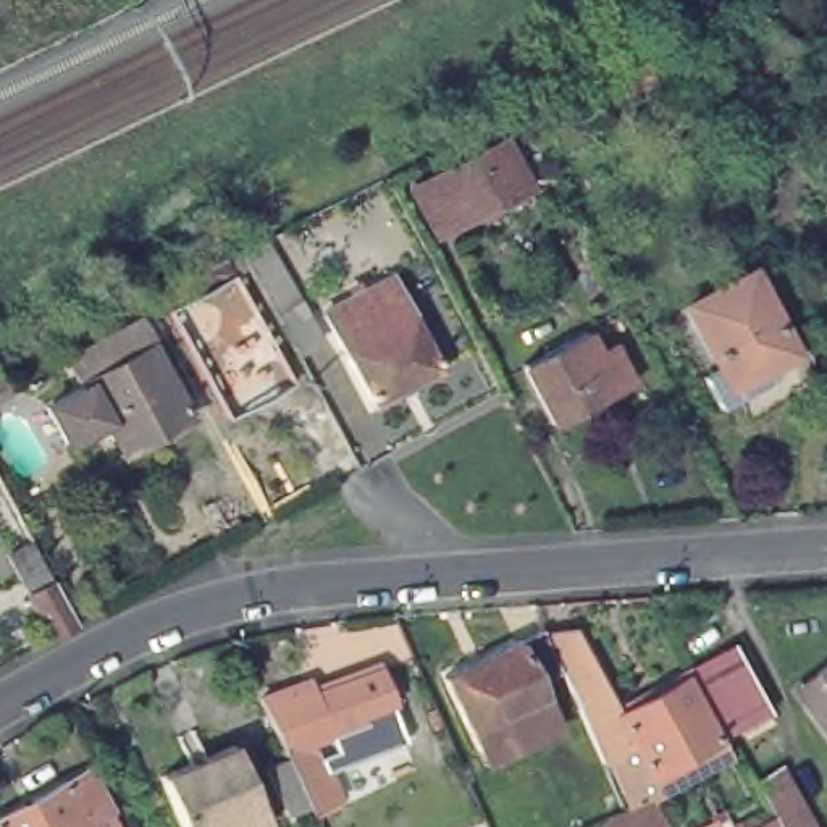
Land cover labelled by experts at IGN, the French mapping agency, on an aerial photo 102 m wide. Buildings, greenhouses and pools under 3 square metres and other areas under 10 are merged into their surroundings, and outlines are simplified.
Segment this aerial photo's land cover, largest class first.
<instances>
[{"label":"deciduous trees","instance_id":"1","mask_svg":"<svg viewBox=\"0 0 827 827\"><path fill-rule=\"evenodd\" d=\"M475 81H468L459 90H443L439 74H430L410 90V100L404 103L407 120L401 123V149L407 162L388 168L394 181L391 191L407 194L414 181H430L436 171H452L468 162H478L485 149H494L504 136H514L520 139L517 152L523 165L533 174L539 171L546 181V191L536 200L539 223L546 229L572 233L575 265L591 271L601 284V294H594L598 317L614 320L617 330H627L633 336L646 362V401L623 397L614 404V410H598L585 423L588 462L607 468H630V462L649 455L659 468L656 485H678L685 481V468L698 465L695 449L704 443L714 439V426L707 420L720 410L707 391V378L717 375V365L698 355L688 336L685 310L714 291L737 284L749 271H762L772 281L791 330L811 355V368L804 375V381L782 401L791 410L788 436H753L740 462L733 465L737 478L727 481V491L740 510L737 520L759 523L762 517L775 514L782 501L795 478L791 446L808 436L827 439V0H530L527 23L504 36L485 61L472 65ZM788 184L801 187L798 210L808 220L804 229H791L788 223L769 216V210L779 207V187ZM368 129L359 126L336 142L339 162L352 165L365 155ZM320 223L310 207L300 210L291 200L284 204L278 220L265 223L239 210L226 213L223 194L191 200L187 191H178L165 204L149 207L145 239L126 258L90 255L87 265H81L78 271L61 268L52 275L45 268H36L26 278L29 294L23 300H10L6 307H0V384L10 381L16 391H26L39 365H45L48 372H61L78 365V355L94 346V339H107L120 326L136 323L139 313L155 317L168 320L171 310L191 307L210 294L207 268L213 262H223L229 255L236 262H246L262 258L268 252L271 236H300L307 229H317ZM507 226L501 223L475 226L455 236V242L436 239L446 268L459 265L465 278L478 271L485 278L481 291L501 304V310L527 317L539 304L562 300L565 291L575 284L569 275L556 268L552 252H514L501 265H494L491 252H485V236L501 239ZM346 275L320 262L313 265V275L307 281V294L320 300L333 297L336 291H342ZM142 468V485L136 491H113L107 481L78 485L65 472L42 494H32L29 475L19 472L6 481L16 507L32 527V536L52 578L74 598L78 611L94 620L123 617L142 601L162 594L165 588H174L184 578L204 572L213 559H233L252 536L262 533V514H246L236 520V527L223 530L194 539L178 552L155 543V536L142 523L139 501L155 510L162 530L178 533L184 497V488L191 481V462L184 446H162L149 459L136 462ZM730 598L711 591H675L669 598L620 604L617 611L623 614L633 649L643 656V669H653V662L678 669L691 662L695 653L691 640L707 630V617L727 611ZM23 643L32 649L48 646L55 627L42 614L26 611ZM210 688L223 704H236L242 698L258 695L262 691L258 685L252 665L236 653L226 646L210 649ZM120 707L113 691L84 701V707L71 714H52L48 720H39L26 737L39 749H61L78 733L84 743L81 762L87 766V772L107 782V791L120 811V827H178L171 804L162 791V782L152 775V766L145 762L142 749L132 743V727L120 724ZM707 811L730 814L737 827H766L772 821V791L766 779H759L746 762L737 759L724 772L695 769L691 775L672 782L669 798L662 801L665 827H698Z\"/></svg>","mask_w":827,"mask_h":827},{"label":"herbaceous vegetation","instance_id":"2","mask_svg":"<svg viewBox=\"0 0 827 827\"><path fill-rule=\"evenodd\" d=\"M142 0H0V74L19 61L52 52L68 39H78L81 32L97 29L107 16H120L139 6ZM530 0H394L381 10H372L365 19H352L342 29L313 36L288 52H278L252 65L239 84L213 81L200 87L194 103L187 107L168 103L149 113V123L116 139L87 142L90 149L81 158L61 155L52 174L32 178L19 187L0 184V307H6L10 300H23L29 294L26 278L36 268H45L52 275L61 268L78 271L81 265H87L90 255L126 258L145 239L149 207L165 204L178 191H187L191 200L223 194L226 213L239 210L265 223L278 220L284 204L291 200L300 210L310 207L320 223L333 213H349L375 197H384L391 191L394 181L388 168L407 162L401 149V123L407 120L404 103L410 100V90L430 74H439L443 90H459L468 81H475L472 65L485 61L504 36L527 23ZM359 126L368 129L365 155L352 165L339 162L336 142ZM801 187L788 184L779 187V207L769 210V216L788 223L791 229H804L808 220L798 210ZM507 226L501 239L485 236V252H491L494 265H501L514 252H552L556 268L569 275L575 284L565 291L562 300L539 304L527 317L501 310V304L481 291L475 294V300L485 313V323L501 336L510 365L520 375L530 365L562 355L588 336H598L607 349H623L636 372H646V362L633 336L627 330H617L614 320L598 317L594 294H601V284L591 271L575 265L572 233L546 229L539 223L536 200L523 204L501 223ZM229 281H242L265 326L271 330L281 355L288 359L291 372L297 375L300 355L291 342L288 326L275 317L268 297L262 294L246 262H236L229 255L223 262H213L207 268L210 294L226 288ZM155 339L162 342L174 375L181 378L191 407H200V426H191L184 433V446L191 462V481L184 488V497L197 507H216L223 530L236 527V520L246 514H255L239 478L216 452L229 439L236 443L252 478L268 497L271 514H262V533L252 536L233 559H271L291 552L372 546L375 530L352 514L349 501L342 497V485L333 472L323 475L313 459H304L297 452V443L271 436V417H255L246 407L233 417L226 401H207V388L187 362L168 320L155 317ZM78 365L61 372H48L45 365H39L26 391L29 397H39L55 410L61 401L74 394L71 378ZM397 472L404 475L410 491L423 497L462 536L488 539L572 530L575 504H569L562 485L572 478H578V485L585 488L594 517H601L607 507L617 504H665L685 497H707L711 491L698 465L685 468V481L678 485H656L659 468L649 455L630 462V468H607L588 462L585 423L572 430H552L546 417L533 407L527 388L520 394H510V410H497L449 436L433 439L426 449L407 455L397 465ZM791 410L782 401L759 414L749 410H720L707 420L714 426V439L704 443L717 462L720 478L727 481L737 478L733 465L740 462L753 436H788ZM795 478L782 501L827 497V439L808 436L791 446ZM71 465L65 472L78 485L107 481L113 491H136L142 485V468L136 462H126L113 449H90L87 455L81 449L68 452ZM19 536L0 517V588L6 591L23 585L19 562L13 556ZM753 636L772 656V672L779 678V685L766 691L775 707V727L756 740L740 737L733 743L737 759L746 762L759 779H766L775 769H788L808 811L814 814L811 827H827V743L808 720L804 704L798 701V685L814 682L827 669V588L746 594ZM611 604H572V617H585L591 623L581 633L623 711L643 707L672 691L675 685H682L685 678L678 669L653 662V669H643V656L633 649L623 659L614 656L617 640L607 627ZM414 659L420 662V675H410V691L401 695V711L410 727L407 733H401V746L410 749L414 775L394 779L388 788H378L375 795L355 801L346 827H588L607 808H627V798L611 775H604V766L591 749V740L581 727L565 678L552 682V695L559 711L569 717L565 737L533 753H523L520 759H510L504 766H491L485 749L472 753L436 682L439 669H452L459 643L449 623H443L433 614H423L420 607L404 633ZM462 623L468 627L475 646L497 640L507 630L501 607H488L462 611ZM707 630L691 640L695 653H704L717 640L737 633L727 623V611L707 617ZM268 649L242 646L236 653L252 665L258 685L265 672L275 678H288L304 672V662H288V640H278V633H265ZM181 701L194 707L197 737L213 759L233 749L249 753L275 814L271 827H291L284 821V795L278 779L284 753L278 737L265 727L258 695L242 698L236 704H223L210 688V675L181 678ZM120 724L132 727V743L142 749L145 762L152 766V775L162 782L174 775L171 766L184 753L178 746L174 711L165 701H158L155 688L136 695L126 711L120 707ZM84 743L78 733L61 749H39L26 737L13 743L10 753H3V762L16 782L19 791H29L48 782L58 769L81 762Z\"/></svg>","mask_w":827,"mask_h":827},{"label":"building","instance_id":"3","mask_svg":"<svg viewBox=\"0 0 827 827\"><path fill-rule=\"evenodd\" d=\"M520 139L514 136H504L494 149H485L478 162H468L452 171H436L430 181H414L407 194L417 220L436 239L455 242V236L475 226L501 223L523 204L536 200L546 191V181L539 171L533 174L523 165L517 152ZM262 294L268 297L275 317L288 326L291 342L300 355H313L317 362L326 359L333 349L326 342V333L339 330L346 346L352 349L349 359H342V368L365 410L375 414L388 407H407L410 394H420L426 401L430 388L449 378V362L443 359L430 330L423 326V317L401 278L381 284L359 281L352 284L346 300L333 297L320 300L326 323L323 330L307 310L304 297L294 291L281 262L268 252L262 258L246 262ZM688 336L698 355L717 365V375L707 378V391L720 410H749L759 394L779 388L785 372L798 368L804 375L811 368V355L791 330L772 281L762 271H749L737 284L714 291L685 310ZM187 362L207 388V401H226L233 417L246 407L242 401L255 397L271 384H278V391H291L284 378L291 372L288 359L281 355L271 330L265 326L242 281H229L226 288L210 294L191 307L171 310L168 320ZM155 317L139 313L136 323L120 326L107 339H94V346L78 355V365L71 378L74 394L61 401L55 410L58 423L68 433V452L81 449L87 455L90 449H113L126 462H136L149 459L162 446H184V433L191 426H200V407H191L181 378L174 375L162 342L155 339ZM527 388L533 407L546 417L552 430H572L585 423L598 410H614V404L623 397L646 401V372H636L623 349H607L598 336H588L562 355L530 365L520 375ZM16 391L10 381L0 384V410L10 404ZM13 556L19 562L23 585L29 591L26 611L42 614L55 627L48 646L65 643L71 633L84 630L94 620L78 611L74 598L52 578L32 536H19ZM685 678L682 685H675L672 691L643 707L623 711L581 633H556V643L533 640V646H504L485 665L472 669L465 678H455L462 704L485 749L491 766H504L510 759H520L523 753H533L565 737L569 717L559 711L552 695V682L565 678L581 727L591 740V749L604 766V775H611L627 798V808H607L588 827H665L662 801L669 798L672 782L691 775L695 769L724 772L737 759L733 743L740 737L756 740L775 727V707L766 691L743 649H730L704 665L691 662L678 669ZM265 727L278 737L284 753L278 779L284 795V821L291 827H346L355 801L346 788H339L336 775H349L352 762L401 746V733H407L410 727L401 711V695L388 669H372L333 685L304 682L284 691H262L258 695ZM798 701L804 704L808 720L827 743V669L814 682L798 685ZM162 791L171 804L178 827H271L275 814L249 753L233 749L213 759L204 769L174 775L162 782ZM0 827H120V811L107 791V782L87 772V766L81 762L58 769L48 782L29 791H19L16 782L0 788ZM772 791V821L766 827H811L814 814L808 811L788 769H775L766 779ZM698 827H737L730 814L707 811Z\"/></svg>","mask_w":827,"mask_h":827},{"label":"impervious surface","instance_id":"4","mask_svg":"<svg viewBox=\"0 0 827 827\"><path fill-rule=\"evenodd\" d=\"M268 252L281 262L294 291L304 297L307 310L323 330L326 323L320 300L307 294V281L313 275V265L320 262L346 275L342 291H336L333 297L346 300L352 284L359 281L381 284L401 278L423 317V326L430 330L443 359L449 362V378L430 388L426 401L420 394H410L407 407H388L375 414L365 410L342 368V359H349L352 349L346 346L339 330L326 333V342L333 349L326 359L317 362L313 355H300L297 375L313 378L326 410L333 414L336 426L342 430L355 455L352 468L333 472L342 485V497L349 501L352 514L375 530L372 546L291 552L271 559H213L204 572L184 578L174 588H165L162 594L142 601L123 617L94 620L84 630L71 633L65 643L48 646L32 649L23 643L26 611L29 591L23 585L6 591L0 588V788L16 782L3 762V753H10L13 743L26 737L39 720H48L52 714H71L84 707V701L113 691L136 675H152L158 701H165L174 711L178 746L184 753L171 766L174 775L204 769L213 759L197 737L194 707L181 701V678L168 669L171 662L210 649L226 646L236 653L242 646L268 649L265 633H278V640H288V662H304V672L288 678H275L265 672L258 685L262 691H284L304 682L333 685L372 669H388L401 695L410 691V675H420V662L414 659L404 633L401 627L342 630L336 623V614L397 604L420 607L423 614H433L443 623H449L459 643L452 669H439L436 682L472 753L485 749L462 704L455 678H465L472 669L485 665L504 646H533V640L556 643V633H581L591 623L585 617H572V604H620L669 598L675 591H711L730 598L746 594L827 588V497L782 501L775 514L762 517L759 523L737 520L717 517L714 527H669L627 533H604L601 527L585 523L572 530L488 539L462 536L423 497L410 491L404 475L397 472V465L407 455L426 449L433 439L449 436L497 410L494 391L481 397L475 407H468L465 397H475L485 388V378L459 346L426 278L414 268L397 265L414 242L394 220V210L384 197H375L349 213H333L320 223L317 229H307L300 236H271ZM488 607H501L507 630L497 640L475 646L468 627L462 623V611ZM804 381V375L798 368L785 372L779 388L759 394L749 410L759 414L782 401ZM0 517L19 536H32V527L16 507L6 481L0 475ZM414 775L410 749L401 746L352 762L349 775H336L339 788H346L355 801L375 795L378 788H388L394 779Z\"/></svg>","mask_w":827,"mask_h":827},{"label":"pervious surface","instance_id":"5","mask_svg":"<svg viewBox=\"0 0 827 827\"><path fill-rule=\"evenodd\" d=\"M394 0H142L139 6L120 16H107L97 29L81 32L78 39H68L52 52L19 61L0 74V184L19 187L32 178L52 174L61 155L81 158L90 149L87 142L116 139L149 123V113L168 103L187 107L194 103L200 87L213 81L239 84L252 65L278 52H288L313 36L342 29L352 19H365L372 10H381ZM291 391H278V384H271L255 397L242 401L246 407L255 417H271V436L297 443V452L304 459H313L323 475L333 472L352 468L355 455L342 430L336 426L333 414L326 410L313 378L297 375L291 372L284 378ZM6 414L26 420L36 433L45 459L29 475L32 494H42L65 472L71 465L68 452V433L58 423L55 410L39 397H29L26 391H16L10 404L0 410V417ZM216 452L239 478L255 514H271L268 497L252 478L236 443L229 439ZM569 504H575L572 530L585 523L601 527V517H594L585 488L578 485V478H572L562 485ZM142 523L155 536V543L178 552L194 539L223 530L216 507H197L184 497L178 533L162 530L155 510L139 501ZM727 623L737 633L717 640L704 653H695L691 662L704 665L730 649H743L766 691L779 685V678L772 672V656L753 636L746 594L730 598L727 611ZM620 604H611L607 627L617 640L614 656L623 659L633 649L623 614L617 611Z\"/></svg>","mask_w":827,"mask_h":827},{"label":"brushwood","instance_id":"6","mask_svg":"<svg viewBox=\"0 0 827 827\"><path fill-rule=\"evenodd\" d=\"M384 197L394 210V220L414 242L397 265L414 268L426 278L459 346L485 378V388L475 397H465L468 407H475L481 397L494 391L497 410H510V394H520L527 388L520 375L510 365L501 336L485 323V313L475 300V294L481 291L485 278L478 271L465 278L459 265L446 268L436 239L417 220L407 194L391 191ZM698 465L711 491L707 497H685L665 504H617L607 507L601 517V527L604 533H627L669 527H714L717 517L737 520L740 510L727 491V481L720 478L717 462L704 443L695 449ZM420 607L397 604L336 614V623L342 630L401 627L404 633ZM210 649L171 662L168 669L181 678L210 675ZM155 688L152 675H136L113 691L120 707L126 711L136 695Z\"/></svg>","mask_w":827,"mask_h":827},{"label":"swimming pool","instance_id":"7","mask_svg":"<svg viewBox=\"0 0 827 827\"><path fill-rule=\"evenodd\" d=\"M45 459L36 433L26 420L6 414L0 417V475L6 481L19 472L29 475Z\"/></svg>","mask_w":827,"mask_h":827}]
</instances>
